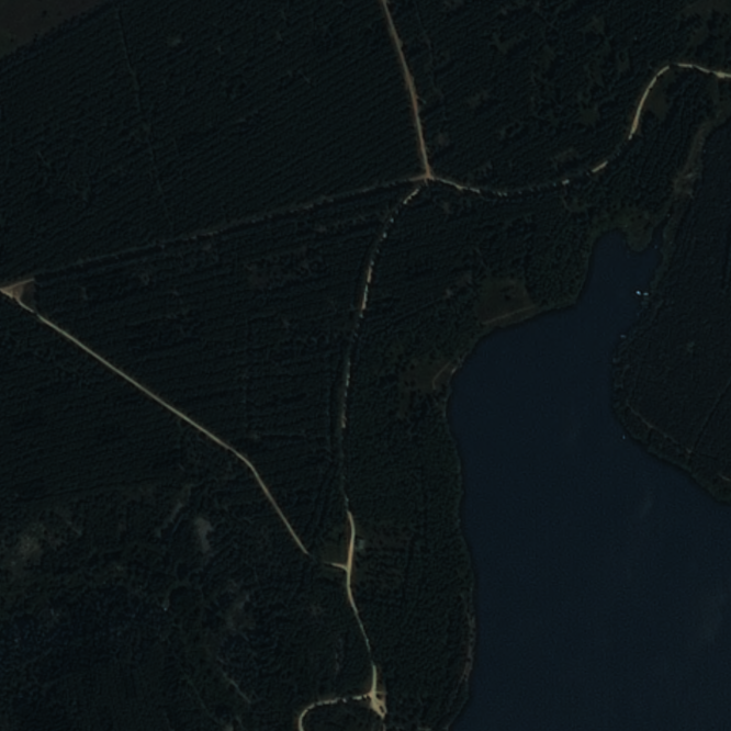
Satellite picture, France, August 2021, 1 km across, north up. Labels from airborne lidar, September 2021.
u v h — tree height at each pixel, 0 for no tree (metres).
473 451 0
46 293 16
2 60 7
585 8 17
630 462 0
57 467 18
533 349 0
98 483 12
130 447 19
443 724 7
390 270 15
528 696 0
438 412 14
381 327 17
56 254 20
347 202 15
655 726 0
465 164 14
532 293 22
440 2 16
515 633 0
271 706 9
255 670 17
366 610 20
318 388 14
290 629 20
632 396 7
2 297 15
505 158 14
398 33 13
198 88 15
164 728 17
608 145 20
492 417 0
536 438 0
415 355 19
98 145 13
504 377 0
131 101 14
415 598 19
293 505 15
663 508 0
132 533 21
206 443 16
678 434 11
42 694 6
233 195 15
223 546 16
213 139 13
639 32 19
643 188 13
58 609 14
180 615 12
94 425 16
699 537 0
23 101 18
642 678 0
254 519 14
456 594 18
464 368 0
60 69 16
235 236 12
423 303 18
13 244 18
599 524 0
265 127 15
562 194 17
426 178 0
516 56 18
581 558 0
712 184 11
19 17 0
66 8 0
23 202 18
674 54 18
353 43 15
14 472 21
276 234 16
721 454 9
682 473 0
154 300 14
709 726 0
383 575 11
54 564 18
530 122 22
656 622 0
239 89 10
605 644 0
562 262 19
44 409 20
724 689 0
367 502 21
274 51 13
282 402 14
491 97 11
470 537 0
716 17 15
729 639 0
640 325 10
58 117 17
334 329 7
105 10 16
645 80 15
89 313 16
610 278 0
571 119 17
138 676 13
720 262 11
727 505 0
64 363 18
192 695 17
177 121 18
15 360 20
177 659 11
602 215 21
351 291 18
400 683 18
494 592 0
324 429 19
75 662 17
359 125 14
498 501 0
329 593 19
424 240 16
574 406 0
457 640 14
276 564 6
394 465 19
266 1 18
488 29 21
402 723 8
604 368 0
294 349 12
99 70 17
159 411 14
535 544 0
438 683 17
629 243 0
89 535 18
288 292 16
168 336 9
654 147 19
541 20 20
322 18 15
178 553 22
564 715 0
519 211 19
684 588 0
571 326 0
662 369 9
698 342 10
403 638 22
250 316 12
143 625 14
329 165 15
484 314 0
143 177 15
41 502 13
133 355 13
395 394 20
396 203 17
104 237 12
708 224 11
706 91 15
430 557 18
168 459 12
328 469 16
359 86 12
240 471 14
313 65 13
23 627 17
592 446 0
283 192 12
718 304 11
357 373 18
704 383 9
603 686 0
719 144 11
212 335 15
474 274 18
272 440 15
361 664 19
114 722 18
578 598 0
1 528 13
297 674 13
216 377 16
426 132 13
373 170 12
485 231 20
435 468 23
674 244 7
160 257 14
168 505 7
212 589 19
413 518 17
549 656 0
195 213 10
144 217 13
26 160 18
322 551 18
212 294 16
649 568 0
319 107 16
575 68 20
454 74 14
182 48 15
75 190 10
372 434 19
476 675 0
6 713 12
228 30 18
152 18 18
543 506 0
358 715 7
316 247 10
